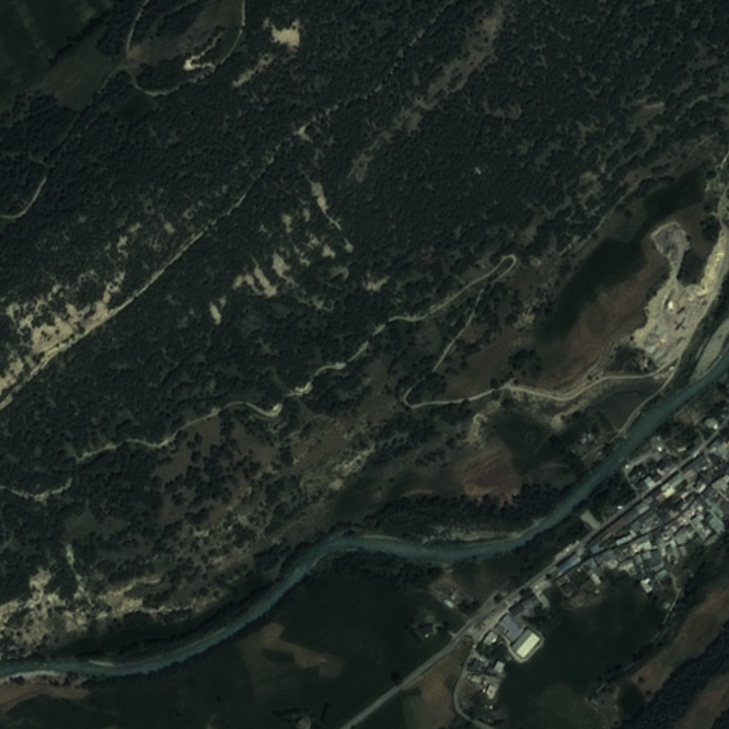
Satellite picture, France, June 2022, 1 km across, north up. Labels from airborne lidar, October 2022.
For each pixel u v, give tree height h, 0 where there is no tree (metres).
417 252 12
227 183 12
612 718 0
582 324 0
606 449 7
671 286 0
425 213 13
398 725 0
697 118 13
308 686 0
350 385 10
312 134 15
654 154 15
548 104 14
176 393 15
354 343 6
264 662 0
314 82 13
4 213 9
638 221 0
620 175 11
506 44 11
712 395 0
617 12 16
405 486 0
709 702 0
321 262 11
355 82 14
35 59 0
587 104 17
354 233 11
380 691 0
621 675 8
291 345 15
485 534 0
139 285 9
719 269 0
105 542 7
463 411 10
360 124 9
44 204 9
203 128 12
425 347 6
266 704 0
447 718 0
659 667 0
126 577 11
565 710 0
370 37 11
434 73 10
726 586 0
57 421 13
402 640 0
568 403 0
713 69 10
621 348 7
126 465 11
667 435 9
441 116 18
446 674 0
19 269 6
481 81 15
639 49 0
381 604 0
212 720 0
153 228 7
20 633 6
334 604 0
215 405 8
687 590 7
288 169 18
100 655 16
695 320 0
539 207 12
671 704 12
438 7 9
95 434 11
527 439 0
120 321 10
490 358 0
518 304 8
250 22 7
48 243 7
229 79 11
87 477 14
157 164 13
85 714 0
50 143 16
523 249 8
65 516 13
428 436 14
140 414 11
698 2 0
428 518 7
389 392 8
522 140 16
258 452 0
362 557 11
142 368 9
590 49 16
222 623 10
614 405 0
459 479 0
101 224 8
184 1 8
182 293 9
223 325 12
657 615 0
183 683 0
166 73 7
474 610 6
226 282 9
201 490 8
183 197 7
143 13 6
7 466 8
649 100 7
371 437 10
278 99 14
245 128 14
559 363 0
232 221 11
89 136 11
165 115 9
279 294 6
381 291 7
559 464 0
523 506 15
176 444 11
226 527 7
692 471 0
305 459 0
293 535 0
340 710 0
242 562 0
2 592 12
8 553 12
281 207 10
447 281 15
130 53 0
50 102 17
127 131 11
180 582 8
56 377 12
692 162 0
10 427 8
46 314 7
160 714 0
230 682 0
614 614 0
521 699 0
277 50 12
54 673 0
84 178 16
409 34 11
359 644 0
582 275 0
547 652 0
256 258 7
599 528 0
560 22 11
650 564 0
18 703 0
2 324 6
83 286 7
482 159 11
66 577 10
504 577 0
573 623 0
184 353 12
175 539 6
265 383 10
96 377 11
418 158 15
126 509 12
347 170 8
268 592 19
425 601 0
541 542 15
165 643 12
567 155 14
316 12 9
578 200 9
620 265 0
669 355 0
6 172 9
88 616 7
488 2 13
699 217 0
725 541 9
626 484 7
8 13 0
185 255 11
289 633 0
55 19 0
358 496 0
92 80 0
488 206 11
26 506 14
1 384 0
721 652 13
